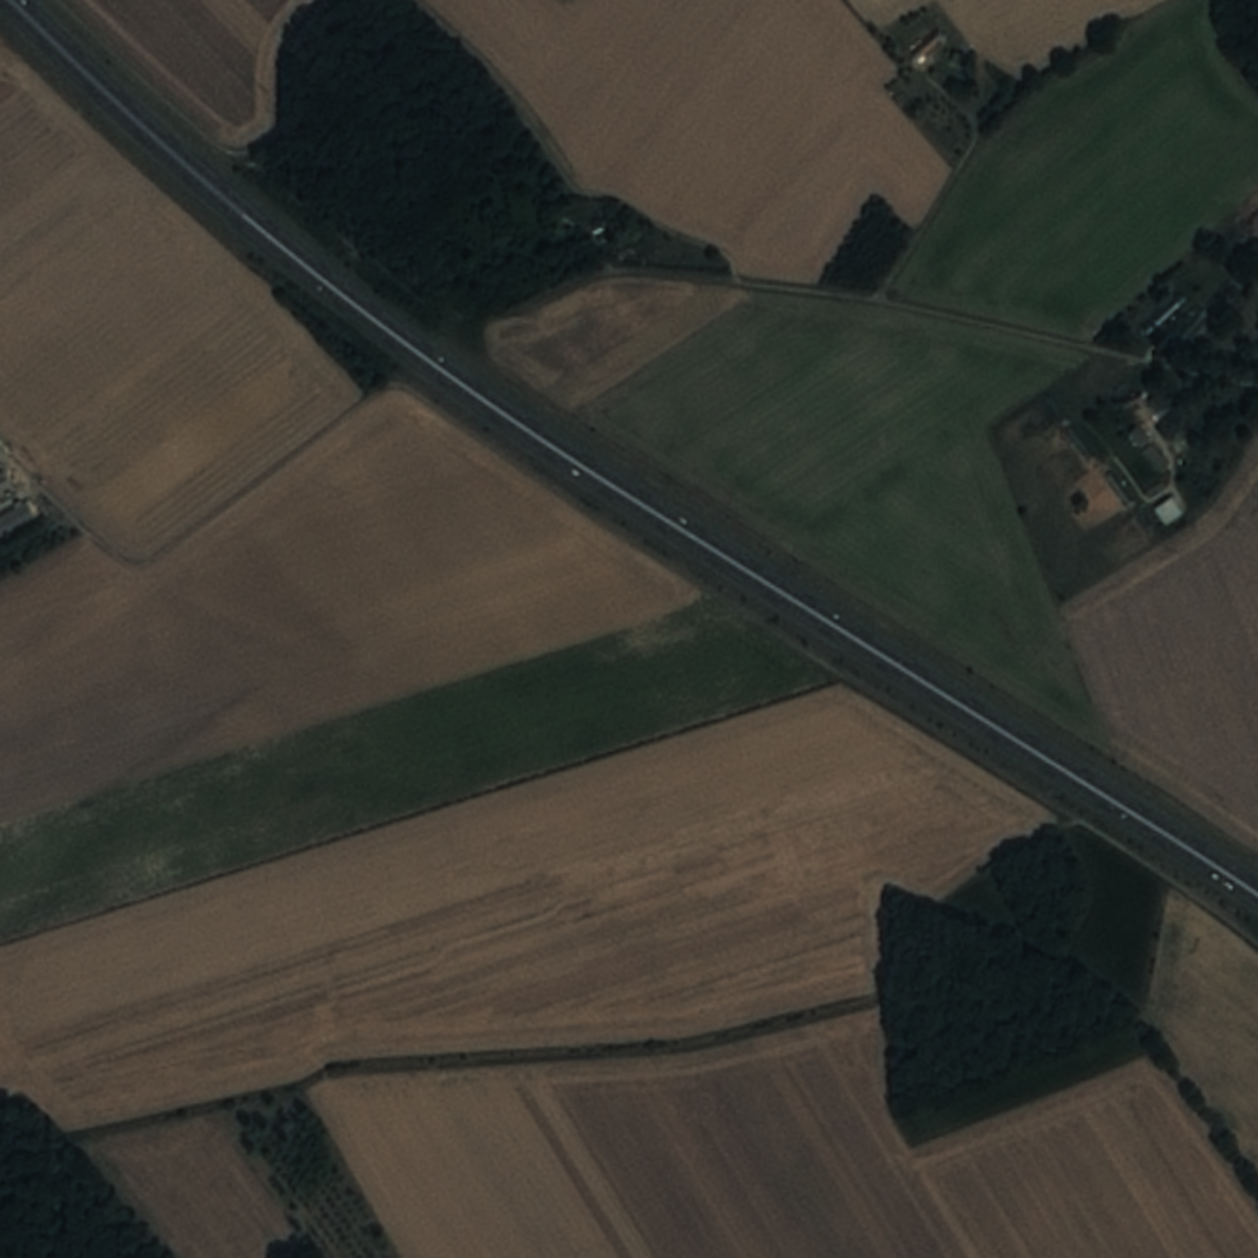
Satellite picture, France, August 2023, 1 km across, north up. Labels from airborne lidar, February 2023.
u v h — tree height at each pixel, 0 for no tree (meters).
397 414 0
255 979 0
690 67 0
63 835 0
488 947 0
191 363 0
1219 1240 0
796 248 0
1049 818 0
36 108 0
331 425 0
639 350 0
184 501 0
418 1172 0
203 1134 0
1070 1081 0
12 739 0
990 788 0
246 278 0
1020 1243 0
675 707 0
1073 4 0
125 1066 0
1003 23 0
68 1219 26
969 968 25
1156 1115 0
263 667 0
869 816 0
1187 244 0
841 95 0
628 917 0
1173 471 0
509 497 0
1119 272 0
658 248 0
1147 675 0
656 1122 0
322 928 0
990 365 0
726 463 0
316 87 22
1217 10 12
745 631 0
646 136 0
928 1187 0
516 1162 0
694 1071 0
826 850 0
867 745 0
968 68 19
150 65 0
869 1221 0
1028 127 0
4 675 0
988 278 0
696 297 0
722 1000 0
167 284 0
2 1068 0
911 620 0
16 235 0
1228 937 0
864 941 0
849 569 0
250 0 0
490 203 11
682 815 0
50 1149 20
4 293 0
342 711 0
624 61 0
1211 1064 0
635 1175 0
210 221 0
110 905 0
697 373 0
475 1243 0
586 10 0
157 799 0
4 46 0
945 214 0
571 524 0
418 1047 0
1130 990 0
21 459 0
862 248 9
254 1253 0
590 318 0
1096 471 0
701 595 0
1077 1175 0
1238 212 0
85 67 0
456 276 8
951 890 0
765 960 0
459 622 0
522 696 0
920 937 25
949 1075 25
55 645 0
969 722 0
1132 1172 0
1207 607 0
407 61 23
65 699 0
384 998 0
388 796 0
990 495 0
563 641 0
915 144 0
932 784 0
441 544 0
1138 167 0
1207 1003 0
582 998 0
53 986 0
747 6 0
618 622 0
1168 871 0
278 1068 0
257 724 0
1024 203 0
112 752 0
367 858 0
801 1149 0
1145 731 0
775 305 0
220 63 0
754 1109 0
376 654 0
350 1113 0
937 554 0
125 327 0
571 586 0
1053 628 0
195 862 0
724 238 0
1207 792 0
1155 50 0
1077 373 0
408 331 0
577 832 0
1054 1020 23
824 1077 0
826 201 0
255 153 14
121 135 0
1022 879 20
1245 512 0
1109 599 0
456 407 0
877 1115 0
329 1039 0
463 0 0
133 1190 0
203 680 0
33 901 0
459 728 0
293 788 0
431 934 0
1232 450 0
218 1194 0
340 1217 25
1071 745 0
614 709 0
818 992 0
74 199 0
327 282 0
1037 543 0
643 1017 0
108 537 0
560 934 0
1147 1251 0
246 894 0
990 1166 0
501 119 26
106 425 0
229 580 0
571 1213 0
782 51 0
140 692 0
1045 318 0
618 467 0
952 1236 0
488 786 0
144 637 0
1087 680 0
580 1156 0
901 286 0
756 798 0
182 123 0
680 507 0
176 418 0
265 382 0
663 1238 0
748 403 0
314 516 0
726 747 0
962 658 0
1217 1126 13
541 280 6
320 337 14
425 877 0
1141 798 0
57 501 0
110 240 0
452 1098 0
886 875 0
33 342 0
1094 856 0
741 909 0
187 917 0
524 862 0
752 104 0
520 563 0
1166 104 0
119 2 0
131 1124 0
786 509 0
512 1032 0
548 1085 0
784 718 0
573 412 0
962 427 0
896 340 0
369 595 0
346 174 25
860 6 0
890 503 0
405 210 25
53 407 0
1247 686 0
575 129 0
